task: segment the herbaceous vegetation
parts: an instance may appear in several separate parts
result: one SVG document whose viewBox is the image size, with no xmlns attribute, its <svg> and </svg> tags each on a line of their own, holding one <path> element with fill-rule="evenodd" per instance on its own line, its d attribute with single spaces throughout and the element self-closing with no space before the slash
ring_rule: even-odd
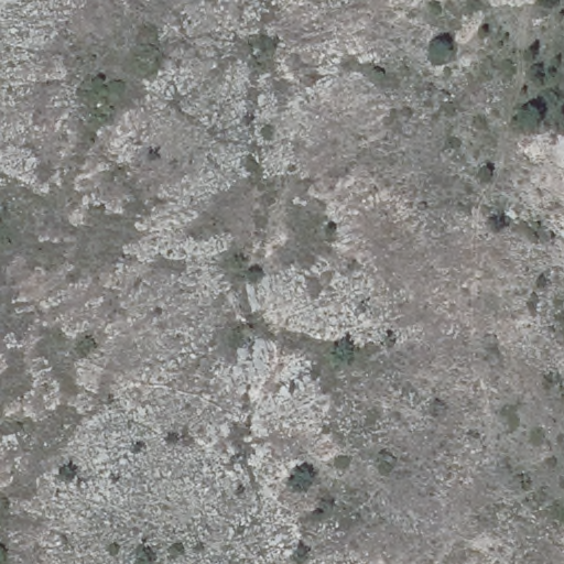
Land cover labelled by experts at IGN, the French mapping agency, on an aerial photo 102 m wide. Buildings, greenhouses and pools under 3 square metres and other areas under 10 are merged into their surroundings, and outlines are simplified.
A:
<svg viewBox="0 0 564 564">
<path fill-rule="evenodd" d="M 112 183 L 119 176 L 121 189 L 132 196 L 132 200 L 123 205 L 123 214 L 108 214 L 104 205 L 88 205 L 84 225 L 73 225 L 66 218 L 57 220 L 57 200 L 51 192 L 37 194 L 18 178 L 0 172 L 0 337 L 13 333 L 15 339 L 24 339 L 26 328 L 33 322 L 31 313 L 13 317 L 11 308 L 2 306 L 4 302 L 20 295 L 18 282 L 29 280 L 29 275 L 37 267 L 55 271 L 62 264 L 73 264 L 75 269 L 66 275 L 68 282 L 93 278 L 93 282 L 99 282 L 101 273 L 110 273 L 117 269 L 117 262 L 134 264 L 137 256 L 123 253 L 123 245 L 141 240 L 139 229 L 134 225 L 143 223 L 145 216 L 150 216 L 150 212 L 143 205 L 141 187 L 126 174 L 123 163 L 108 172 L 101 172 L 101 178 Z"/>
<path fill-rule="evenodd" d="M 375 465 L 379 474 L 386 476 L 397 465 L 397 456 L 388 449 L 379 449 Z"/>
<path fill-rule="evenodd" d="M 443 62 L 456 59 L 456 44 L 467 44 L 476 33 L 489 37 L 489 46 L 485 51 L 478 51 L 480 62 L 474 62 L 465 77 L 454 77 L 452 68 L 445 68 L 443 75 L 434 75 L 430 71 L 419 73 L 408 64 L 408 59 L 403 59 L 399 71 L 390 73 L 375 62 L 359 62 L 355 59 L 355 55 L 344 57 L 339 64 L 344 71 L 364 73 L 381 88 L 383 95 L 416 95 L 419 106 L 414 110 L 410 106 L 392 108 L 390 115 L 383 119 L 383 139 L 357 150 L 353 159 L 348 159 L 339 167 L 328 170 L 326 176 L 339 181 L 350 176 L 353 167 L 366 167 L 368 176 L 375 176 L 377 181 L 375 185 L 370 185 L 368 192 L 355 194 L 355 203 L 361 203 L 364 198 L 388 189 L 390 194 L 403 198 L 421 196 L 421 200 L 427 200 L 427 209 L 447 207 L 463 214 L 480 209 L 494 231 L 507 227 L 509 231 L 524 234 L 531 242 L 553 242 L 557 234 L 546 229 L 542 220 L 522 220 L 520 212 L 516 212 L 516 218 L 507 218 L 507 200 L 502 200 L 502 192 L 511 192 L 513 167 L 494 167 L 494 161 L 498 137 L 502 132 L 513 130 L 518 134 L 540 134 L 544 130 L 557 130 L 564 137 L 564 0 L 430 0 L 427 4 L 432 13 L 427 22 L 438 31 L 438 35 L 430 42 L 430 62 L 438 66 Z"/>
<path fill-rule="evenodd" d="M 333 480 L 330 489 L 319 491 L 317 509 L 302 516 L 300 524 L 339 522 L 341 531 L 346 531 L 361 524 L 364 516 L 359 511 L 359 502 L 368 500 L 368 482 L 350 487 L 346 480 Z"/>
<path fill-rule="evenodd" d="M 22 456 L 22 465 L 26 465 L 20 478 L 15 478 L 9 487 L 0 489 L 0 564 L 13 564 L 9 560 L 7 546 L 11 516 L 9 502 L 15 498 L 29 500 L 37 494 L 35 478 L 46 474 L 42 469 L 42 460 L 59 454 L 66 447 L 66 443 L 75 436 L 82 419 L 79 412 L 71 405 L 57 405 L 57 410 L 53 410 L 44 421 L 7 416 L 4 408 L 9 408 L 18 397 L 24 397 L 26 390 L 31 390 L 33 379 L 24 366 L 24 353 L 15 348 L 7 357 L 7 370 L 0 375 L 0 438 L 7 434 L 15 434 L 18 447 L 9 449 L 4 456 L 9 460 Z"/>
<path fill-rule="evenodd" d="M 317 476 L 317 469 L 311 463 L 306 463 L 297 465 L 286 478 L 286 485 L 293 491 L 306 491 Z"/>
<path fill-rule="evenodd" d="M 275 341 L 280 355 L 295 353 L 300 357 L 311 359 L 311 379 L 319 386 L 322 394 L 328 394 L 330 388 L 339 386 L 337 372 L 344 364 L 366 370 L 370 355 L 379 350 L 379 346 L 357 346 L 350 335 L 337 341 L 326 341 L 313 339 L 302 333 L 273 330 L 271 322 L 264 319 L 264 313 L 251 311 L 247 284 L 262 280 L 262 267 L 251 267 L 247 253 L 251 251 L 253 242 L 267 245 L 267 220 L 271 214 L 271 205 L 284 187 L 291 187 L 286 196 L 286 242 L 273 249 L 282 267 L 308 269 L 315 264 L 319 256 L 330 256 L 330 251 L 335 249 L 333 242 L 337 240 L 337 227 L 326 216 L 326 203 L 308 194 L 315 178 L 264 178 L 260 167 L 258 172 L 249 172 L 249 176 L 242 183 L 214 194 L 209 212 L 203 212 L 196 223 L 185 227 L 187 236 L 194 240 L 207 240 L 216 234 L 231 236 L 229 251 L 220 253 L 220 269 L 223 275 L 231 282 L 231 291 L 236 293 L 240 313 L 247 319 L 236 322 L 234 313 L 227 313 L 227 324 L 216 324 L 212 339 L 207 344 L 200 344 L 200 348 L 220 348 L 227 364 L 236 364 L 238 348 L 245 348 L 247 359 L 253 361 L 253 344 L 258 339 Z"/>
<path fill-rule="evenodd" d="M 88 357 L 97 348 L 97 341 L 88 333 L 75 339 L 66 337 L 59 328 L 42 326 L 40 341 L 35 346 L 37 357 L 46 357 L 51 361 L 53 377 L 59 381 L 62 392 L 75 397 L 79 386 L 75 381 L 75 366 L 79 359 Z"/>
<path fill-rule="evenodd" d="M 143 79 L 154 79 L 156 73 L 165 66 L 167 53 L 159 44 L 159 29 L 154 24 L 141 24 L 134 35 L 134 48 L 130 51 L 130 55 L 115 53 L 110 46 L 101 46 L 97 55 L 86 53 L 64 62 L 68 84 L 75 84 L 77 75 L 84 77 L 84 82 L 77 88 L 77 110 L 64 123 L 71 123 L 73 130 L 77 130 L 77 134 L 88 139 L 90 143 L 95 143 L 97 130 L 101 126 L 115 123 L 123 115 L 123 110 L 128 110 L 134 104 L 134 99 L 145 97 Z"/>
<path fill-rule="evenodd" d="M 242 62 L 247 62 L 247 66 L 258 75 L 273 71 L 278 66 L 278 37 L 249 35 L 249 51 Z"/>
</svg>

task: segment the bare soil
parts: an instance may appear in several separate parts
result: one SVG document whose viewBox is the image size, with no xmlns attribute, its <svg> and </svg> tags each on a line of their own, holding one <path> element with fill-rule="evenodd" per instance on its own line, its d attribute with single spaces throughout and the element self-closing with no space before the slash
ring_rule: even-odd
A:
<svg viewBox="0 0 564 564">
<path fill-rule="evenodd" d="M 134 264 L 117 262 L 117 269 L 110 273 L 101 273 L 99 282 L 93 282 L 93 278 L 68 282 L 66 275 L 75 269 L 73 264 L 62 264 L 55 271 L 37 267 L 29 275 L 29 280 L 18 282 L 20 295 L 4 302 L 2 306 L 11 308 L 13 317 L 31 313 L 33 322 L 26 328 L 24 339 L 15 339 L 13 333 L 0 337 L 0 375 L 7 370 L 7 357 L 15 348 L 24 353 L 24 366 L 33 379 L 31 390 L 26 390 L 24 397 L 18 397 L 9 408 L 4 408 L 7 416 L 44 421 L 53 410 L 57 410 L 57 405 L 71 405 L 79 412 L 82 419 L 75 436 L 66 443 L 66 447 L 59 454 L 42 460 L 42 469 L 46 474 L 35 478 L 37 494 L 29 500 L 15 498 L 9 502 L 11 516 L 7 546 L 9 560 L 13 564 L 564 564 L 564 137 L 557 130 L 544 130 L 540 134 L 518 134 L 513 130 L 502 132 L 498 137 L 494 161 L 494 167 L 513 167 L 511 192 L 502 192 L 502 200 L 507 200 L 507 218 L 516 218 L 516 212 L 520 212 L 522 220 L 542 220 L 546 229 L 557 234 L 553 242 L 531 242 L 524 234 L 509 231 L 507 227 L 494 231 L 480 209 L 463 214 L 447 207 L 427 209 L 427 200 L 421 200 L 421 196 L 403 198 L 390 194 L 388 189 L 364 198 L 361 203 L 355 203 L 355 194 L 368 192 L 370 185 L 375 185 L 377 181 L 375 176 L 368 176 L 366 167 L 353 167 L 350 176 L 339 181 L 326 176 L 328 170 L 339 167 L 348 159 L 353 159 L 357 150 L 383 139 L 383 119 L 390 115 L 392 108 L 410 106 L 414 110 L 419 106 L 416 95 L 383 95 L 381 88 L 364 73 L 344 71 L 339 64 L 344 57 L 355 55 L 355 59 L 359 62 L 375 62 L 390 73 L 399 71 L 403 59 L 408 59 L 408 64 L 419 73 L 430 71 L 434 75 L 443 75 L 445 68 L 452 68 L 454 77 L 465 77 L 474 62 L 480 62 L 478 51 L 485 51 L 489 46 L 489 37 L 476 33 L 467 44 L 456 44 L 456 59 L 443 62 L 438 66 L 430 62 L 430 42 L 438 35 L 438 31 L 427 22 L 432 13 L 427 4 L 430 0 L 0 0 L 0 172 L 18 178 L 37 194 L 51 192 L 57 200 L 57 220 L 66 218 L 73 225 L 84 225 L 88 205 L 104 205 L 108 214 L 123 214 L 123 205 L 132 200 L 132 196 L 121 189 L 119 176 L 112 183 L 101 178 L 101 172 L 108 172 L 123 163 L 126 174 L 141 187 L 143 205 L 150 212 L 150 216 L 145 216 L 143 223 L 134 225 L 139 229 L 141 240 L 123 245 L 123 253 L 137 256 Z M 159 44 L 167 53 L 165 66 L 156 73 L 154 79 L 143 79 L 145 97 L 134 99 L 134 104 L 128 110 L 123 110 L 123 115 L 115 123 L 101 126 L 97 130 L 95 143 L 90 143 L 88 139 L 77 134 L 77 130 L 73 130 L 71 123 L 64 123 L 77 110 L 77 88 L 84 82 L 84 77 L 77 75 L 75 84 L 68 84 L 64 62 L 86 53 L 97 55 L 101 46 L 110 46 L 115 53 L 130 55 L 130 51 L 134 48 L 134 35 L 141 24 L 154 24 L 159 29 Z M 242 62 L 249 51 L 249 35 L 278 37 L 278 66 L 273 71 L 258 75 L 247 66 L 247 62 Z M 220 269 L 220 253 L 229 251 L 231 236 L 216 234 L 207 240 L 194 240 L 187 236 L 185 227 L 196 223 L 203 212 L 209 212 L 214 194 L 242 183 L 249 176 L 249 172 L 258 172 L 260 167 L 264 178 L 315 178 L 308 194 L 326 203 L 326 216 L 337 227 L 337 240 L 333 242 L 335 249 L 330 251 L 330 256 L 319 256 L 315 264 L 308 269 L 282 267 L 273 249 L 286 242 L 286 196 L 291 187 L 284 187 L 271 205 L 271 214 L 267 220 L 267 245 L 253 242 L 251 251 L 247 253 L 251 267 L 262 267 L 262 280 L 247 284 L 251 311 L 264 313 L 264 319 L 271 322 L 273 330 L 302 333 L 313 339 L 326 341 L 337 341 L 350 335 L 357 346 L 379 346 L 379 350 L 370 355 L 366 370 L 344 364 L 337 372 L 339 386 L 330 388 L 328 394 L 322 394 L 319 386 L 311 379 L 311 359 L 300 357 L 295 353 L 280 355 L 275 341 L 258 339 L 253 344 L 253 361 L 247 359 L 245 348 L 238 348 L 236 364 L 227 364 L 220 348 L 200 348 L 200 344 L 207 344 L 212 339 L 216 324 L 227 324 L 227 313 L 234 313 L 236 322 L 247 319 L 240 313 L 236 293 L 231 291 L 231 282 L 223 275 Z M 51 361 L 46 357 L 37 357 L 35 346 L 40 341 L 42 326 L 59 328 L 66 337 L 75 339 L 88 333 L 97 341 L 97 348 L 88 357 L 79 359 L 75 366 L 75 381 L 79 386 L 75 397 L 62 392 L 59 381 L 53 377 Z M 397 465 L 386 476 L 379 474 L 375 465 L 379 449 L 388 449 L 397 456 Z M 311 463 L 317 469 L 317 476 L 306 491 L 293 491 L 286 485 L 286 478 L 297 465 L 306 463 Z M 350 487 L 368 482 L 368 500 L 359 502 L 359 511 L 364 516 L 361 524 L 346 531 L 341 531 L 339 522 L 300 524 L 302 516 L 317 509 L 319 491 L 330 489 L 333 480 L 346 480 Z"/>
<path fill-rule="evenodd" d="M 22 456 L 9 460 L 4 456 L 9 449 L 18 447 L 15 434 L 7 434 L 0 438 L 0 489 L 9 487 L 15 478 L 20 478 L 26 465 L 22 465 Z"/>
</svg>

